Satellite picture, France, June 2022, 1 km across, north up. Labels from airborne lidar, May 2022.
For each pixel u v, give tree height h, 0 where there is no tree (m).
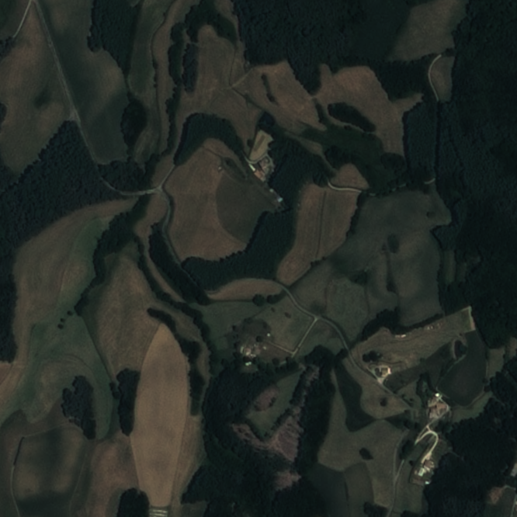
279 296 9
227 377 21
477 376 0
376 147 0
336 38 19
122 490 0
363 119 19
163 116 0
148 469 0
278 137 15
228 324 0
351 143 0
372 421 0
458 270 7
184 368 0
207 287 22
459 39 15
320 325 0
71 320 0
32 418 0
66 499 0
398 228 0
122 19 22
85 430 9
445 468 18
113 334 0
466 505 20
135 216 6
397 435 0
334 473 0
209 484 25
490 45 22
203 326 18
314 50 29
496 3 22
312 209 0
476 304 17
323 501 16
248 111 0
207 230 0
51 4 0
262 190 0
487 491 15
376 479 0
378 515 10
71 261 0
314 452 19
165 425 0
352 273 0
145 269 18
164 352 0
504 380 20
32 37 0
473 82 23
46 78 0
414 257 0
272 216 25
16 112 0
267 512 18
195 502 11
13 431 0
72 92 0
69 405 15
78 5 0
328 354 15
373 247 0
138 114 12
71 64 0
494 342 16
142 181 15
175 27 12
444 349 0
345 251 0
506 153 17
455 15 0
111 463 0
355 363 0
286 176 29
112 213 0
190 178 0
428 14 0
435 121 21
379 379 0
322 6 22
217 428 18
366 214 0
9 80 0
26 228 23
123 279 0
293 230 26
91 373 0
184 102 0
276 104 0
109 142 0
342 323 0
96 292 0
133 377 13
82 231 0
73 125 27
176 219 0
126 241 14
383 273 0
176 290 0
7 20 0
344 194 0
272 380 11
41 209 28
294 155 13
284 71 0
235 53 0
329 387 17
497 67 23
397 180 8
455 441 20
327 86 0
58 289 0
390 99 10
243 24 19
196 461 0
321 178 15
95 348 0
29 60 0
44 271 0
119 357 0
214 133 23
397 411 0
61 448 0
